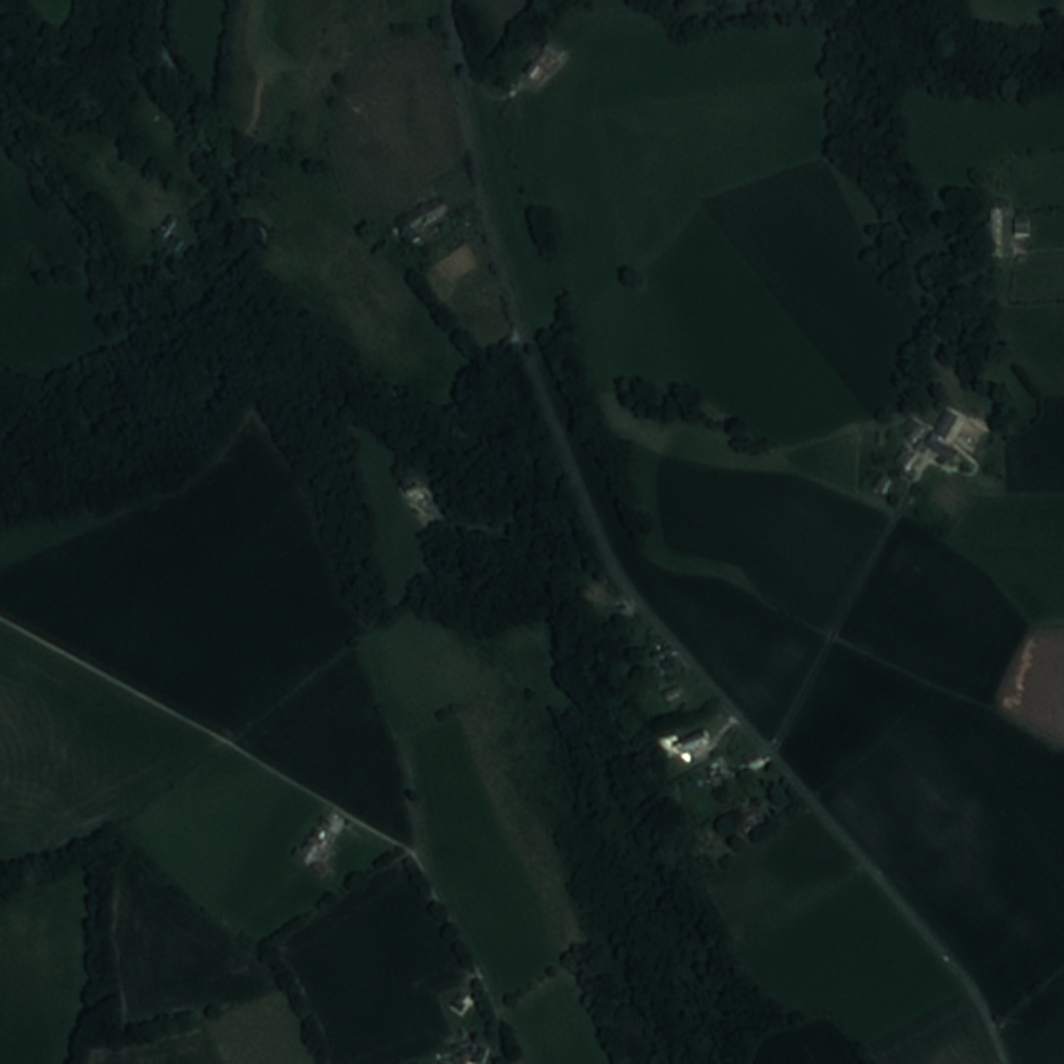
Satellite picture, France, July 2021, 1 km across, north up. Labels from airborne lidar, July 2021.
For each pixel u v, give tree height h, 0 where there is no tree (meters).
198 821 0
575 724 23
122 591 0
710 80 0
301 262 0
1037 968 0
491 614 30
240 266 21
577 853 11
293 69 0
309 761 0
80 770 0
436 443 26
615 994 27
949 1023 0
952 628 0
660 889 12
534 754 0
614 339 0
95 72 24
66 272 17
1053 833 0
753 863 0
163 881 9
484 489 30
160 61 34
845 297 0
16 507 24
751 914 0
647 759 21
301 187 0
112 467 23
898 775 0
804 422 0
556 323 7
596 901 12
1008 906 0
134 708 0
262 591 0
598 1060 0
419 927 0
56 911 0
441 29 13
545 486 22
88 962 16
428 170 0
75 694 0
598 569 18
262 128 0
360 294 0
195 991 0
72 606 0
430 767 0
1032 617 0
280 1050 0
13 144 16
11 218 0
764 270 0
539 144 0
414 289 16
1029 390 11
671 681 8
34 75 29
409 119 0
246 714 0
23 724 0
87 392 29
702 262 0
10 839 0
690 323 0
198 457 24
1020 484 0
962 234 25
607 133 0
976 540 0
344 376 30
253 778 0
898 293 21
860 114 23
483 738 0
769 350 0
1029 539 0
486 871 0
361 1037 0
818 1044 0
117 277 17
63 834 0
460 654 0
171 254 8
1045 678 0
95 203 16
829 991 0
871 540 0
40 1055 0
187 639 0
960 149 0
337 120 0
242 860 0
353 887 16
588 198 0
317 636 0
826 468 0
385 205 0
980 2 0
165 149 0
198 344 27
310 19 0
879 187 21
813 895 0
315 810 0
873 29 29
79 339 0
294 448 18
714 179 0
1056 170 0
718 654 0
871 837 0
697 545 0
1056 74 27
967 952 0
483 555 30
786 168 0
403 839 0
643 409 21
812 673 0
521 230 0
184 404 22
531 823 0
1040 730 0
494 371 25
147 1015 0
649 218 0
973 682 0
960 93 21
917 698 0
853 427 0
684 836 12
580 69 0
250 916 0
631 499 26
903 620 0
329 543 14
